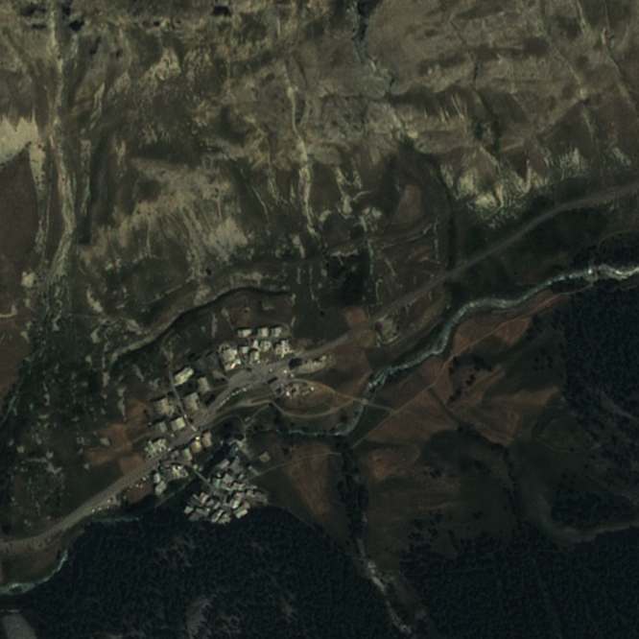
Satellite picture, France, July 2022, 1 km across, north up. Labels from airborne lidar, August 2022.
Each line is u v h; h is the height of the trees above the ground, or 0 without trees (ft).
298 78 0
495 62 0
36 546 0
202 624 21
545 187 0
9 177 0
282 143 0
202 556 49
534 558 29
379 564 0
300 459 0
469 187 0
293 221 0
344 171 0
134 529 40
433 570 63
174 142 0
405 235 0
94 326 0
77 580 35
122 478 0
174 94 0
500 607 73
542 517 0
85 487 0
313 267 0
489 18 0
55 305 0
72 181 0
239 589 43
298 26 0
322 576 48
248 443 0
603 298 50
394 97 0
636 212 0
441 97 0
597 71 0
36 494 0
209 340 0
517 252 0
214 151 0
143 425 0
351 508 44
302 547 65
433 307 0
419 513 0
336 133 0
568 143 0
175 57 0
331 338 0
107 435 0
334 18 0
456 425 0
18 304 0
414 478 0
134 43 0
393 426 0
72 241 0
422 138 0
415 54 0
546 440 0
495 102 0
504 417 0
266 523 73
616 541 74
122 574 79
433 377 0
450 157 0
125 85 0
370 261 0
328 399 0
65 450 0
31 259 0
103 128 0
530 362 0
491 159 0
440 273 0
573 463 0
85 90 0
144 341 0
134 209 0
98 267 0
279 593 42
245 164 0
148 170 0
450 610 59
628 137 0
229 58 0
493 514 0
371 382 32
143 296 0
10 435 30
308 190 0
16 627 0
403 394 0
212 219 0
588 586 62
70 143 0
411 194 0
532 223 0
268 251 0
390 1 0
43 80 0
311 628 36
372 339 0
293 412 0
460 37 0
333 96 0
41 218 0
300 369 0
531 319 0
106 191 0
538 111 0
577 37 0
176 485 36
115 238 0
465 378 0
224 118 0
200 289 0
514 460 0
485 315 0
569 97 0
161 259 0
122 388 0
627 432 28
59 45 0
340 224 0
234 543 72
